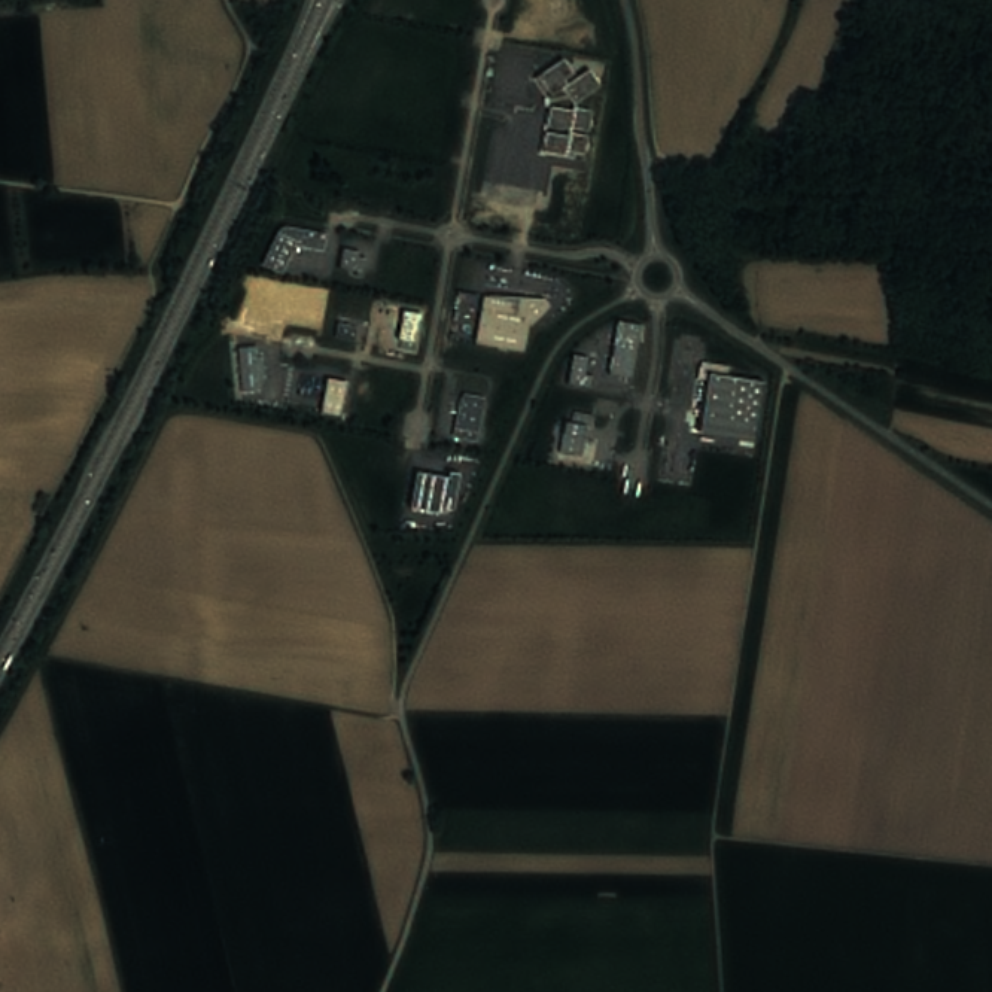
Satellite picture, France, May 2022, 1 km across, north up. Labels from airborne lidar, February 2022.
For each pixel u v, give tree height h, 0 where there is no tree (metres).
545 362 0
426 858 0
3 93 0
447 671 0
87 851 0
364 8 0
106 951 0
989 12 0
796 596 0
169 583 0
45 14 0
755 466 0
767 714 0
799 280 0
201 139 0
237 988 0
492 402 0
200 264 0
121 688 0
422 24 0
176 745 0
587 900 0
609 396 0
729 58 0
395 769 0
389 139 0
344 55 0
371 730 0
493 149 0
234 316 0
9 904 0
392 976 0
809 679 0
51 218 0
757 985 0
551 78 0
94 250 0
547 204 0
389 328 0
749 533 0
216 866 0
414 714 0
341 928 0
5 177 0
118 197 0
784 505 0
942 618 0
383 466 0
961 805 0
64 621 0
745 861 0
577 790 0
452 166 0
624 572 0
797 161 29
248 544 0
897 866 0
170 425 0
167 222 0
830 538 0
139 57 0
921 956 0
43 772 0
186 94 0
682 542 0
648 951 0
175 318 0
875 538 0
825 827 0
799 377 0
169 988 0
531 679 0
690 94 0
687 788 0
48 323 0
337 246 0
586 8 0
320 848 0
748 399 0
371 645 0
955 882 0
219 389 0
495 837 0
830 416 0
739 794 0
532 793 0
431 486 0
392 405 0
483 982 0
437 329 0
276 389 0
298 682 0
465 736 0
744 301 16
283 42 0
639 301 0
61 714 0
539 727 0
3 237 0
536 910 0
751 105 11
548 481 0
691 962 0
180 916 0
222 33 0
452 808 0
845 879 0
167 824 0
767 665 0
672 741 0
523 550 0
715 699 0
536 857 0
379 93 0
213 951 0
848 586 0
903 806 0
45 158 0
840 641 0
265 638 0
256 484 0
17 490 0
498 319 0
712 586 0
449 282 0
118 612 0
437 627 0
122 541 0
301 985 0
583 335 0
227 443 0
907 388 0
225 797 0
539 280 0
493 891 0
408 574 0
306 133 0
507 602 0
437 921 0
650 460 0
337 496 0
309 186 0
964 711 0
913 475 0
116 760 0
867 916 0
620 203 0
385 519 0
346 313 0
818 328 0
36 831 0
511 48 0
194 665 0
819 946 0
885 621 0
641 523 0
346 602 0
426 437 0
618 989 0
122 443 0
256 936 0
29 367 0
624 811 0
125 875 0
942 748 0
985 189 23
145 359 0
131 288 0
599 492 0
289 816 0
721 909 0
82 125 0
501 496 0
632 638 0
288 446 0
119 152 0
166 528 0
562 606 0
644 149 0
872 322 0
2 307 0
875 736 0
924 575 0
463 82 0
